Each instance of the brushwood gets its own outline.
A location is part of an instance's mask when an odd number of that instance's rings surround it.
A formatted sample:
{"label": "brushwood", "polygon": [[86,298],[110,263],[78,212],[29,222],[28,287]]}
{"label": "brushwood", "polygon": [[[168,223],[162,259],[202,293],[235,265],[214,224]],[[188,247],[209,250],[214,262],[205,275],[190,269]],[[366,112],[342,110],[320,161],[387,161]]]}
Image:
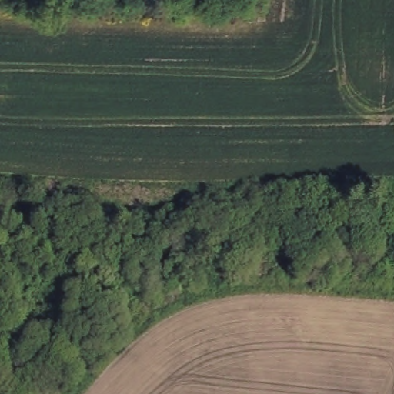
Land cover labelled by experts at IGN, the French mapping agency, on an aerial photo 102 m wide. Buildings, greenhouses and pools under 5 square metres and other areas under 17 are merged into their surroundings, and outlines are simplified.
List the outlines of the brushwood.
{"label": "brushwood", "polygon": [[82,188],[58,182],[49,183],[48,180],[32,186],[28,175],[12,174],[11,177],[17,195],[17,202],[12,208],[23,215],[23,222],[28,226],[32,222],[32,214],[38,209],[48,208],[49,199],[55,194],[77,195]]}
{"label": "brushwood", "polygon": [[180,222],[182,219],[182,211],[175,211],[172,197],[157,203],[146,203],[137,199],[132,205],[105,202],[102,209],[106,225],[112,225],[117,219],[117,214],[128,209],[129,212],[145,211],[143,222],[151,225],[155,220],[162,223],[165,229],[171,228],[172,223]]}
{"label": "brushwood", "polygon": [[119,317],[125,325],[131,326],[131,331],[134,331],[137,339],[152,325],[183,311],[186,306],[223,299],[229,295],[265,292],[332,295],[391,300],[394,303],[394,266],[385,262],[372,272],[366,268],[365,263],[352,266],[351,260],[346,260],[343,265],[332,265],[328,272],[320,275],[317,282],[308,280],[303,283],[297,282],[294,277],[288,277],[285,272],[279,277],[269,275],[263,279],[260,275],[252,275],[252,279],[245,282],[228,283],[222,282],[217,274],[211,271],[208,275],[200,274],[200,285],[191,283],[189,288],[182,288],[177,277],[174,277],[154,294],[146,292],[143,297],[129,295],[125,316]]}

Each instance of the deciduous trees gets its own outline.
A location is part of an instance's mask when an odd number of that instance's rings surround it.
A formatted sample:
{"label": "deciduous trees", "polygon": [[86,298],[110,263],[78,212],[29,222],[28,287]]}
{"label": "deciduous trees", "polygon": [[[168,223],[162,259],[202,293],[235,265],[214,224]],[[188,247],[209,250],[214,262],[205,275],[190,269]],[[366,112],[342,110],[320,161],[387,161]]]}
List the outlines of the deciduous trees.
{"label": "deciduous trees", "polygon": [[192,228],[205,229],[208,232],[208,245],[225,240],[231,240],[232,245],[246,243],[249,249],[260,249],[266,245],[265,257],[277,257],[279,246],[288,245],[288,255],[294,263],[294,268],[299,272],[309,272],[309,263],[317,260],[320,252],[331,245],[331,237],[339,235],[346,251],[354,248],[368,254],[383,255],[386,251],[386,237],[394,232],[394,180],[385,175],[380,183],[359,183],[352,186],[349,192],[346,188],[337,191],[326,180],[325,175],[319,175],[317,179],[306,175],[305,179],[300,180],[283,179],[280,199],[257,197],[249,199],[243,208],[235,209],[231,202],[215,205],[211,200],[203,199],[189,203],[188,208],[182,211],[182,219],[194,217]]}
{"label": "deciduous trees", "polygon": [[139,14],[143,20],[162,20],[166,15],[169,22],[175,26],[202,23],[209,28],[223,28],[234,18],[243,18],[248,22],[262,20],[268,15],[271,0],[45,0],[43,17],[29,20],[25,14],[14,14],[15,22],[23,23],[26,28],[35,29],[38,34],[51,37],[65,34],[66,26],[72,18],[77,17],[83,23],[94,23],[103,15],[111,22],[119,18],[122,22],[134,22]]}
{"label": "deciduous trees", "polygon": [[[100,362],[108,365],[111,360],[106,356],[103,345],[115,342],[115,337],[122,334],[125,325],[119,317],[125,316],[129,295],[143,297],[146,292],[149,271],[160,265],[163,251],[168,248],[163,240],[165,229],[162,223],[155,220],[151,225],[143,222],[145,211],[129,212],[128,209],[117,214],[117,219],[112,225],[106,225],[102,209],[105,202],[102,195],[92,189],[82,188],[77,195],[55,194],[49,199],[48,208],[38,209],[32,214],[32,222],[28,226],[23,222],[23,215],[12,208],[0,205],[0,394],[57,394],[62,391],[65,383],[72,382],[77,374],[82,374],[85,369],[92,372]],[[37,305],[32,295],[38,291],[52,291],[52,282],[57,275],[62,275],[66,282],[63,286],[65,300],[62,303],[62,320],[58,325],[52,320],[32,322],[18,345],[9,349],[11,331],[14,331]]]}

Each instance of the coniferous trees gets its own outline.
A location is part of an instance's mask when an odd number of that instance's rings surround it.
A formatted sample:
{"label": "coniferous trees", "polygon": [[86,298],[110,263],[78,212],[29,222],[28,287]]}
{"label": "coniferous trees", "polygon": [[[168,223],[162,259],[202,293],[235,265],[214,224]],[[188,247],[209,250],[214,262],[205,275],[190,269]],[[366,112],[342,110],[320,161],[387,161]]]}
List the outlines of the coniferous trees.
{"label": "coniferous trees", "polygon": [[32,322],[52,320],[58,325],[62,320],[62,303],[65,300],[63,286],[66,282],[62,275],[57,275],[52,282],[52,291],[38,291],[32,295],[37,305],[14,331],[11,331],[9,349],[18,345]]}
{"label": "coniferous trees", "polygon": [[339,235],[331,237],[331,245],[320,252],[317,260],[309,263],[309,272],[299,272],[294,268],[294,263],[288,255],[288,245],[279,246],[277,257],[265,257],[266,245],[260,249],[249,249],[246,243],[232,245],[231,240],[225,240],[208,245],[208,232],[205,229],[192,228],[194,217],[182,219],[180,222],[172,223],[171,228],[165,229],[163,240],[168,248],[163,251],[160,265],[149,271],[146,292],[154,294],[174,277],[177,277],[182,288],[189,288],[191,283],[200,285],[200,274],[208,275],[211,271],[217,274],[222,282],[228,283],[245,282],[252,279],[252,275],[260,275],[263,279],[269,275],[279,277],[285,272],[288,277],[294,277],[297,282],[303,283],[308,280],[317,282],[320,275],[328,272],[332,265],[343,265],[346,260],[351,260],[352,266],[365,263],[366,268],[372,272],[385,262],[394,266],[394,232],[386,237],[386,251],[383,255],[368,254],[354,248],[346,251]]}
{"label": "coniferous trees", "polygon": [[14,14],[25,14],[29,20],[43,17],[45,0],[0,0],[0,9]]}
{"label": "coniferous trees", "polygon": [[274,180],[266,186],[260,185],[260,177],[242,177],[235,180],[234,185],[229,188],[208,185],[203,199],[211,200],[215,205],[231,202],[235,209],[243,208],[249,199],[257,197],[280,199],[283,179]]}

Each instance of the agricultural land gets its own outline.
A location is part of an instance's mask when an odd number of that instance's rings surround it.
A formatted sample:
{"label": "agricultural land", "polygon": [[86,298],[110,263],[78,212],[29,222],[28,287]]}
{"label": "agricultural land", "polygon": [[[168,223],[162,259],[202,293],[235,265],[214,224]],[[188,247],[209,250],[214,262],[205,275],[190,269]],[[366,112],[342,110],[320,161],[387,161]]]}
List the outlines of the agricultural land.
{"label": "agricultural land", "polygon": [[223,299],[186,306],[183,311],[152,325],[137,339],[123,354],[111,360],[108,365],[85,394],[394,394],[394,303],[391,300],[332,295],[265,292],[229,295]]}
{"label": "agricultural land", "polygon": [[23,23],[15,22],[14,14],[0,9],[0,174],[11,177],[12,174],[28,175],[32,186],[48,180],[49,183],[58,182],[82,188],[92,189],[94,186],[105,185],[108,179],[168,179],[171,182],[166,183],[166,188],[171,189],[174,194],[182,189],[197,189],[199,183],[208,185],[229,188],[234,185],[235,180],[242,177],[260,177],[260,185],[266,186],[274,180],[283,179],[300,180],[305,179],[306,175],[317,179],[319,175],[325,175],[326,180],[337,191],[346,188],[349,192],[352,186],[359,183],[380,183],[385,175],[394,180],[394,0],[271,0],[268,15],[262,20],[248,22],[243,18],[234,18],[223,28],[209,28],[202,23],[175,26],[169,22],[166,15],[162,20],[143,20],[139,14],[134,22],[122,22],[119,18],[111,22],[103,15],[94,23],[83,23],[77,17],[72,18],[66,26],[65,34],[51,37],[38,34],[35,29],[26,28]]}

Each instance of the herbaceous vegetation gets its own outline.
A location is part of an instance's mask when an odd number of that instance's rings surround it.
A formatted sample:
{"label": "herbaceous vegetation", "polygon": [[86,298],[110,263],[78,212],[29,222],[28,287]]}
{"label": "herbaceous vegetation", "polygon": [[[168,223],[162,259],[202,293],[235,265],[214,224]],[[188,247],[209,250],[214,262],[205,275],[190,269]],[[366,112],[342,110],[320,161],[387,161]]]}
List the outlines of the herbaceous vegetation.
{"label": "herbaceous vegetation", "polygon": [[132,205],[137,199],[146,203],[157,203],[172,197],[175,211],[182,211],[188,208],[189,203],[203,199],[208,185],[199,183],[197,189],[182,189],[174,194],[171,189],[166,188],[166,183],[171,182],[168,179],[108,179],[105,185],[94,186],[92,189],[102,195],[105,202]]}
{"label": "herbaceous vegetation", "polygon": [[134,331],[131,331],[131,326],[125,325],[122,334],[115,337],[115,342],[103,345],[106,356],[111,360],[123,354],[137,339]]}
{"label": "herbaceous vegetation", "polygon": [[100,362],[92,372],[85,369],[82,374],[77,374],[72,382],[65,383],[62,391],[57,394],[85,394],[108,365]]}
{"label": "herbaceous vegetation", "polygon": [[17,195],[11,177],[0,174],[0,205],[12,208],[17,202]]}

